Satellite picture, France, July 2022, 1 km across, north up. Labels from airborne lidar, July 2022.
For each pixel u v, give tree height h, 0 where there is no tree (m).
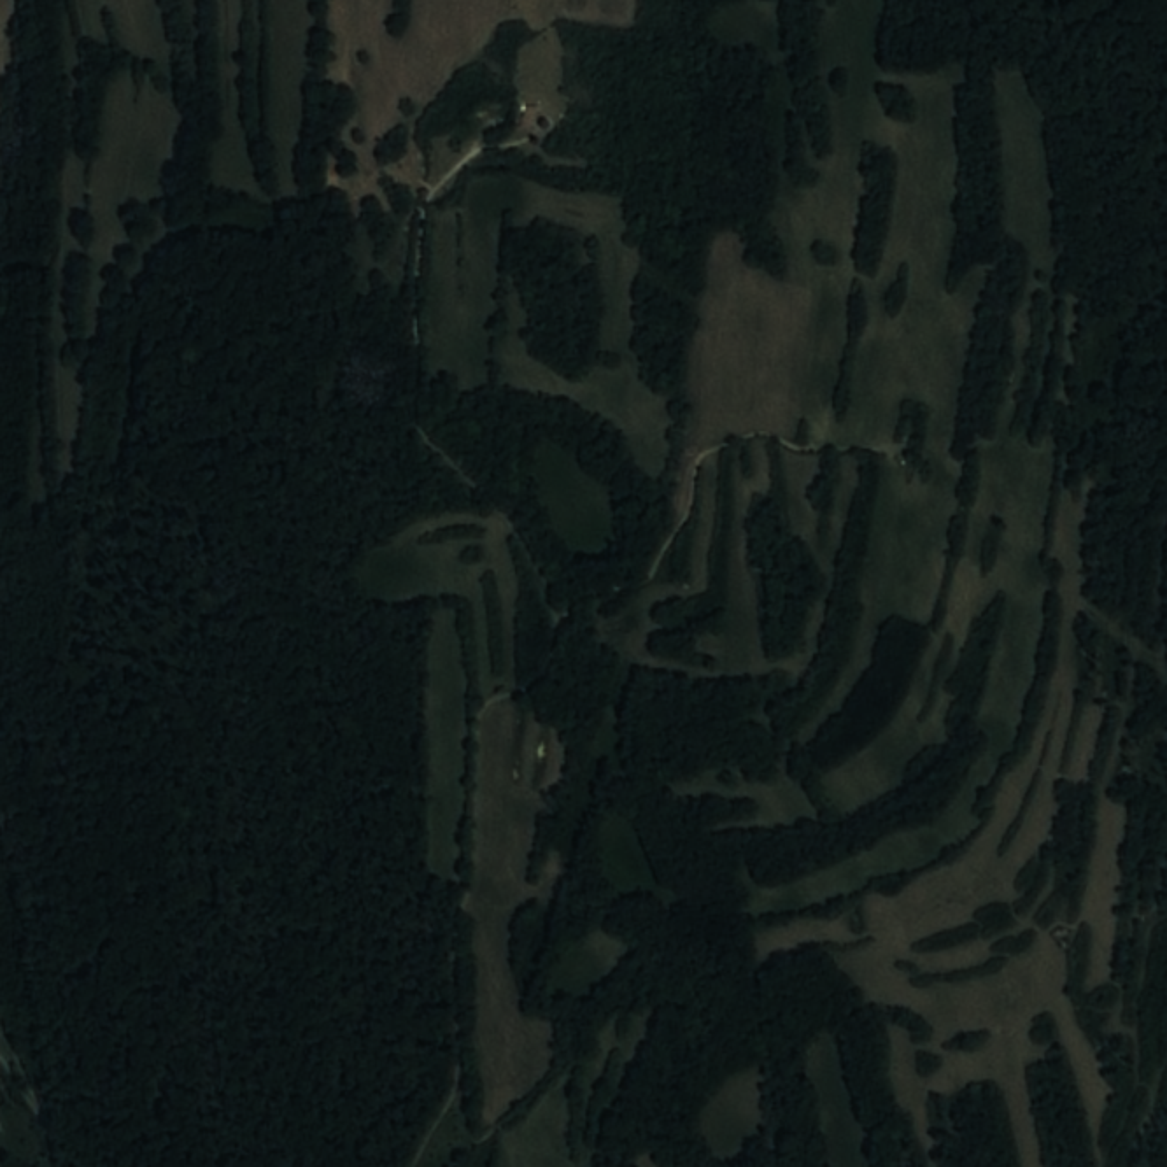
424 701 17
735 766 8
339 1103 22
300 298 17
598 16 0
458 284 0
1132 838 11
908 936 0
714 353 0
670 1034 23
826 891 0
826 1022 19
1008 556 0
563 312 16
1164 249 22
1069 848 16
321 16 11
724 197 15
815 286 0
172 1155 26
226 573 20
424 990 24
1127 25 23
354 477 18
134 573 24
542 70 0
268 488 20
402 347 13
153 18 0
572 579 13
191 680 18
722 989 19
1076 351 9
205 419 20
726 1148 0
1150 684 18
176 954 22
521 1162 0
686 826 20
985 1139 13
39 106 23
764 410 0
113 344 18
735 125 26
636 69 10
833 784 0
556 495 0
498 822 0
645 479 10
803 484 0
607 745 0
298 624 19
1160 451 13
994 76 12
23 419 14
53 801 24
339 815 18
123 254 16
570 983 0
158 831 25
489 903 0
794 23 16
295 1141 19
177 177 22
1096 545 19
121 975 26
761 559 16
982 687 9
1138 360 24
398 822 21
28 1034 13
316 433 21
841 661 6
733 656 0
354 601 17
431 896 17
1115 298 22
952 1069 0
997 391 13
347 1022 20
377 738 21
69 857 24
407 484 17
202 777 21
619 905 15
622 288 0
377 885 22
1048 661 16
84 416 11
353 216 9
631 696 18
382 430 18
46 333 11
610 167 7
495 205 0
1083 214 20
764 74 15
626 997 11
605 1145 22
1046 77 23
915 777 8
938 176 0
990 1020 0
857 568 8
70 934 21
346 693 18
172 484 22
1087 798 13
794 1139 22
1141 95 20
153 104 0
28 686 19
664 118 13
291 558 20
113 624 26
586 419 17
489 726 0
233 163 0
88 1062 25
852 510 6
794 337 0
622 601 11
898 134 0
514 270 14
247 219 0
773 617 16
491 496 12
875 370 0
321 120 14
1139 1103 6
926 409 6
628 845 0
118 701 22
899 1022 16
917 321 0
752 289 0
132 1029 27
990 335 13
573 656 18
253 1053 20
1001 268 10
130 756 23
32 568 18
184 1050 25
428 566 0
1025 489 0
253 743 16
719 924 21
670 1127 24
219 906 18
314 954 22
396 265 0
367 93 0
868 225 16
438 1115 15
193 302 19
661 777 17
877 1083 17
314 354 18
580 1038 16
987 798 16
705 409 0
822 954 15
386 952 22
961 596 0
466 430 14
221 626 20
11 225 24
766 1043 23
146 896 22
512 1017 0
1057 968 0
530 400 14
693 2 9
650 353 13
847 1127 0
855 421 0
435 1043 8
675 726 16
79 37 6
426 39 0
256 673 20
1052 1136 12
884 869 0
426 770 14
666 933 18
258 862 17
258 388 23
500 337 8
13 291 20
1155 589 11
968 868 0
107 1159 21
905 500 0
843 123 0
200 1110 23
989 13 17
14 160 23
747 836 17
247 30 9
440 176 0
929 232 0
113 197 0
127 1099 25
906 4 19
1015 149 0
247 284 21
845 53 0
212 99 15
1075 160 20
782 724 19
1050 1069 12
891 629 11
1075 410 12
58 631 11
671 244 15
